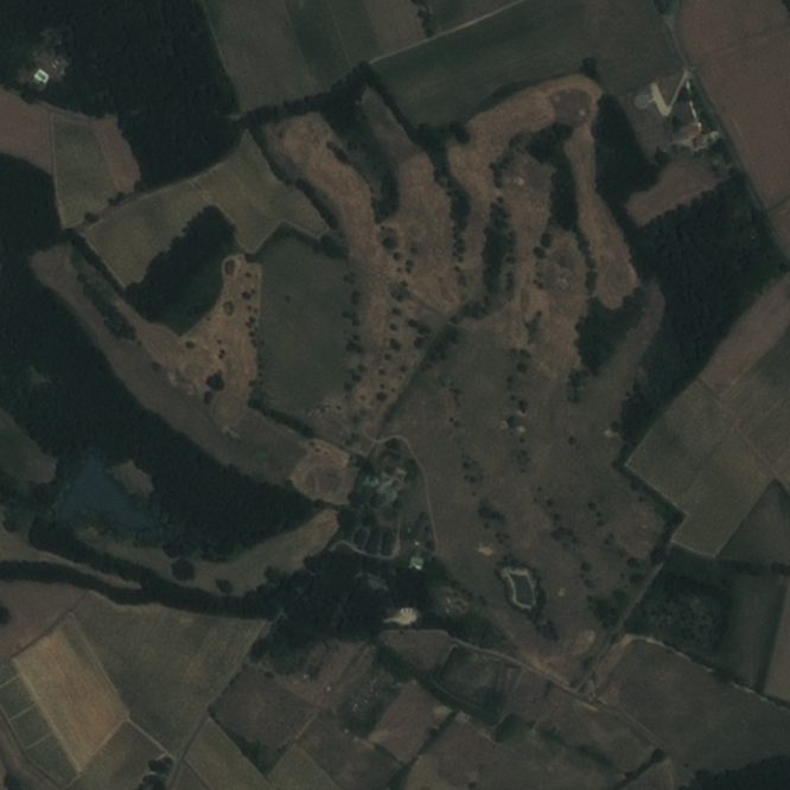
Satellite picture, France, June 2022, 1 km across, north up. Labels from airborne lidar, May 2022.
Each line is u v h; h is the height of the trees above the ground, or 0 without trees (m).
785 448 0
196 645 0
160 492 20
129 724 0
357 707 0
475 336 0
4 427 0
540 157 10
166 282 15
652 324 0
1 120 0
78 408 17
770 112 0
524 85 0
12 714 0
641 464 0
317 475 0
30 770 0
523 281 0
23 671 0
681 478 0
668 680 0
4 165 17
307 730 0
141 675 0
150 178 11
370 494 7
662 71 0
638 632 9
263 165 0
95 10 19
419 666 0
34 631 0
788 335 0
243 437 0
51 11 19
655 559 15
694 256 20
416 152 0
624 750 0
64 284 0
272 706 0
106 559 18
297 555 0
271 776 0
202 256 19
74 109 11
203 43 22
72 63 15
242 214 0
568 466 0
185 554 12
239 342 0
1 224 13
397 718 0
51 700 0
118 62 19
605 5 0
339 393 0
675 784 0
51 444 18
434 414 0
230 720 0
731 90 0
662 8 21
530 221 0
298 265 0
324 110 10
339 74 0
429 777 0
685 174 0
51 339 19
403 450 0
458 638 7
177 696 0
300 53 0
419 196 0
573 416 0
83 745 0
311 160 0
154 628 0
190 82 24
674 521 7
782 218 0
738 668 0
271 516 17
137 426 19
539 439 0
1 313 20
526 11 0
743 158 0
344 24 0
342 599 17
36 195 19
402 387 0
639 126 0
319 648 0
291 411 0
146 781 12
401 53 0
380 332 0
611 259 0
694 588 12
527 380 0
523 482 0
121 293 11
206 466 19
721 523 0
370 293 0
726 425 0
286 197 0
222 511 18
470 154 0
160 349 0
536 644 0
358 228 0
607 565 0
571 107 0
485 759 0
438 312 0
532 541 0
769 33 0
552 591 0
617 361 0
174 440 16
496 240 9
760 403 0
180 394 0
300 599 6
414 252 7
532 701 0
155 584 21
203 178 0
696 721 0
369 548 12
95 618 0
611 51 0
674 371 6
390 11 0
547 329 0
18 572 20
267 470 0
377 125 0
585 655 0
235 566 0
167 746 0
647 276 7
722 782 18
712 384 0
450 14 0
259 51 0
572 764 0
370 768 0
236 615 10
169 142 15
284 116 22
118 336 6
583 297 0
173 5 21
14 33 10
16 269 16
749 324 0
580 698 0
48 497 22
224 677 0
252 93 0
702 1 0
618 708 0
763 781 9
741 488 0
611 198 15
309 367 0
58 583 13
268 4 0
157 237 0
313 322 0
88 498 0
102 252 0
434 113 0
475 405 0
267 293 0
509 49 0
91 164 0
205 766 0
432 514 0
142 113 11
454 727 0
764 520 0
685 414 0
